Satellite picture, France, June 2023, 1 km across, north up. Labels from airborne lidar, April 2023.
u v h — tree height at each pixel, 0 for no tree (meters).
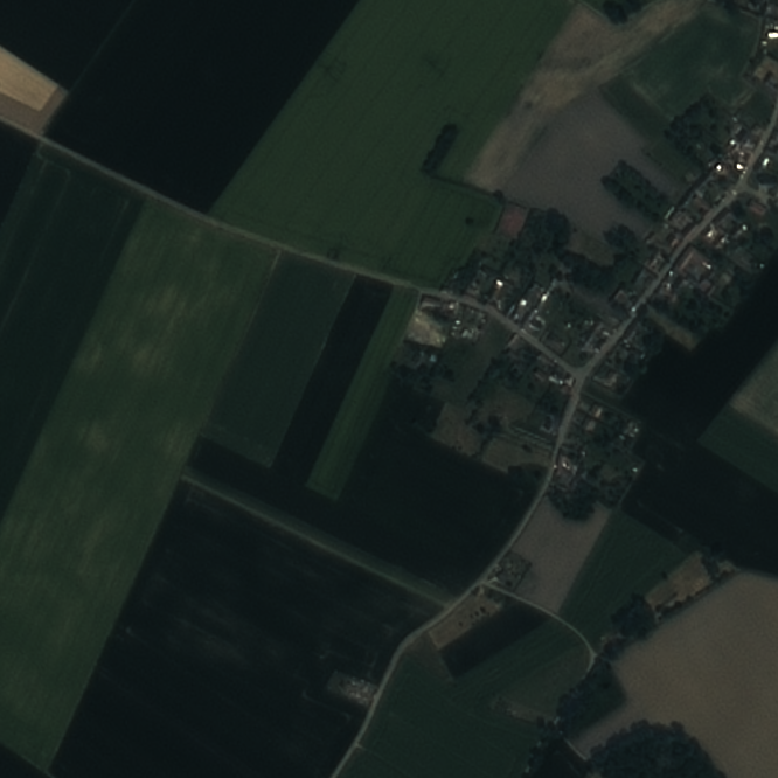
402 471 0
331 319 0
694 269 0
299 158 0
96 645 0
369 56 0
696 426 0
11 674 0
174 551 0
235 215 0
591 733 0
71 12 0
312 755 0
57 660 0
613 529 0
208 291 0
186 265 0
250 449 0
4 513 0
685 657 0
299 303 0
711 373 0
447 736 0
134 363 0
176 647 0
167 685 0
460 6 0
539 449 0
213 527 0
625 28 0
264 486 0
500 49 0
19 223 0
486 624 0
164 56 0
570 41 0
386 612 0
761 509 0
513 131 0
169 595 0
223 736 0
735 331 0
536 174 0
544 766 0
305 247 0
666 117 0
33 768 0
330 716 0
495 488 0
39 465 0
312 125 0
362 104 0
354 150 0
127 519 0
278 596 0
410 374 16
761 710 0
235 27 0
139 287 0
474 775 0
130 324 0
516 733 0
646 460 0
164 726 0
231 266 0
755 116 0
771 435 0
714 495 0
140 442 0
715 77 0
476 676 0
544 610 0
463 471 0
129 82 0
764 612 0
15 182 0
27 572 0
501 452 0
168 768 0
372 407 0
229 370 0
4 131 0
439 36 0
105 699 0
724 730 0
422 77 0
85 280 0
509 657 0
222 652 0
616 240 13
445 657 0
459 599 0
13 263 0
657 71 0
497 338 0
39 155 0
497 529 0
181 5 0
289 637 0
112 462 0
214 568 0
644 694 0
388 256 0
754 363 0
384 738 0
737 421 0
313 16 0
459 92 0
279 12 0
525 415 0
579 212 0
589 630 0
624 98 0
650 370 0
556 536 0
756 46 0
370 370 0
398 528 0
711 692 0
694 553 0
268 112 0
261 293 0
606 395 0
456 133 11
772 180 0
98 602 0
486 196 0
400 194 0
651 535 0
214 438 0
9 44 0
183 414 0
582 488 9
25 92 0
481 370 0
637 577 0
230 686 0
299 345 0
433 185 0
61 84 0
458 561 0
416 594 0
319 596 0
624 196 16
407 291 0
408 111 0
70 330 0
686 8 0
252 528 0
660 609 7
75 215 0
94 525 0
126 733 0
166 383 0
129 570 0
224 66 0
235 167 0
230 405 0
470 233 0
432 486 0
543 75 0
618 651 18
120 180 0
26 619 0
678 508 0
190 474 0
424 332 0
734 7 19
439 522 0
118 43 0
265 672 0
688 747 22
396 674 0
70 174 0
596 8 0
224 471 0
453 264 0
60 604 0
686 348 0
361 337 0
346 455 0
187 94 0
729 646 0
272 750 0
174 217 0
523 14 0
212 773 0
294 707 0
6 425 0
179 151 0
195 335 0
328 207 0
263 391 0
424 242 0
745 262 0
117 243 0
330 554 0
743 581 0
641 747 14
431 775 0
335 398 0
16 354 0
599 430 0
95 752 0
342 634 0
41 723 0
